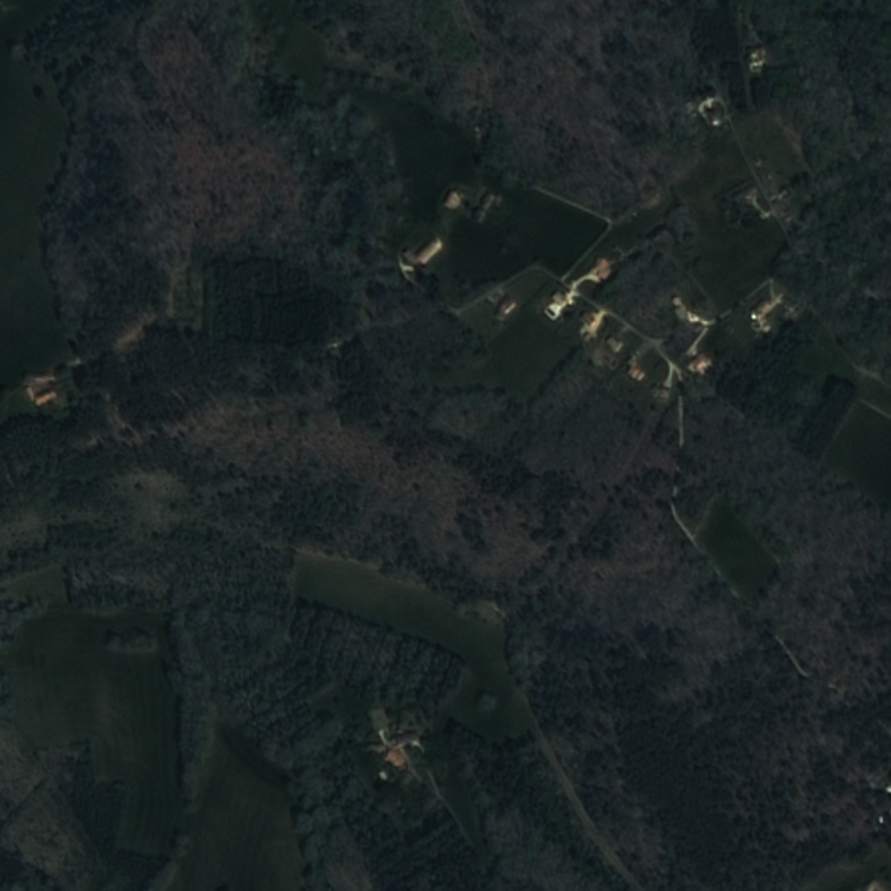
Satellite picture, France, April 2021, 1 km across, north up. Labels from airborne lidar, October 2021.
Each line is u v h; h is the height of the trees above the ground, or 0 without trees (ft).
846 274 58
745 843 32
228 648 68
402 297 65
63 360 0
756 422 43
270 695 31
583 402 29
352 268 30
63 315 52
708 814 52
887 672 54
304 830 69
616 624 47
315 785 73
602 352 0
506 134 30
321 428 48
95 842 27
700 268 23
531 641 61
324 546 64
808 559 54
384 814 54
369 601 0
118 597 59
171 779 0
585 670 64
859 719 71
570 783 37
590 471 26
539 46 58
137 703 0
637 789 63
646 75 59
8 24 0
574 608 62
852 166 65
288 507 63
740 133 0
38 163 0
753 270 0
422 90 36
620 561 26
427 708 60
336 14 70
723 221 0
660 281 43
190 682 72
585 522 29
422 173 0
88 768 25
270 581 56
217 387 65
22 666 0
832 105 82
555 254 0
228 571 46
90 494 58
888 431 0
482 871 59
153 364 85
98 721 0
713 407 31
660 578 30
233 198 20
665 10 51
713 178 0
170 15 24
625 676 72
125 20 76
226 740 0
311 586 0
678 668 46
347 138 46
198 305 22
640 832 57
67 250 51
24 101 0
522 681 60
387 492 35
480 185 0
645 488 38
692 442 22
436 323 38
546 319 0
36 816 24
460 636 0
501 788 75
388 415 45
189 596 35
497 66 44
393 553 45
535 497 83
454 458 22
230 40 78
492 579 32
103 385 81
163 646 0
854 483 0
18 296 0
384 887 68
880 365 65
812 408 54
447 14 47
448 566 42
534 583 32
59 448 75
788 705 26
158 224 31
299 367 43
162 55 23
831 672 23
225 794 0
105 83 63
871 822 23
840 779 27
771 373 56
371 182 48
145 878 30
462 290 38
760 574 0
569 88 19
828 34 65
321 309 61
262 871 0
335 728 74
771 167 0
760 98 51
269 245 39
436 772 49
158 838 0
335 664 42
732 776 33
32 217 0
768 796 46
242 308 60
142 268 91
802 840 47
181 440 44
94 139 38
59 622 0
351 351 50
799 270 63
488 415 73
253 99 43
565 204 0
